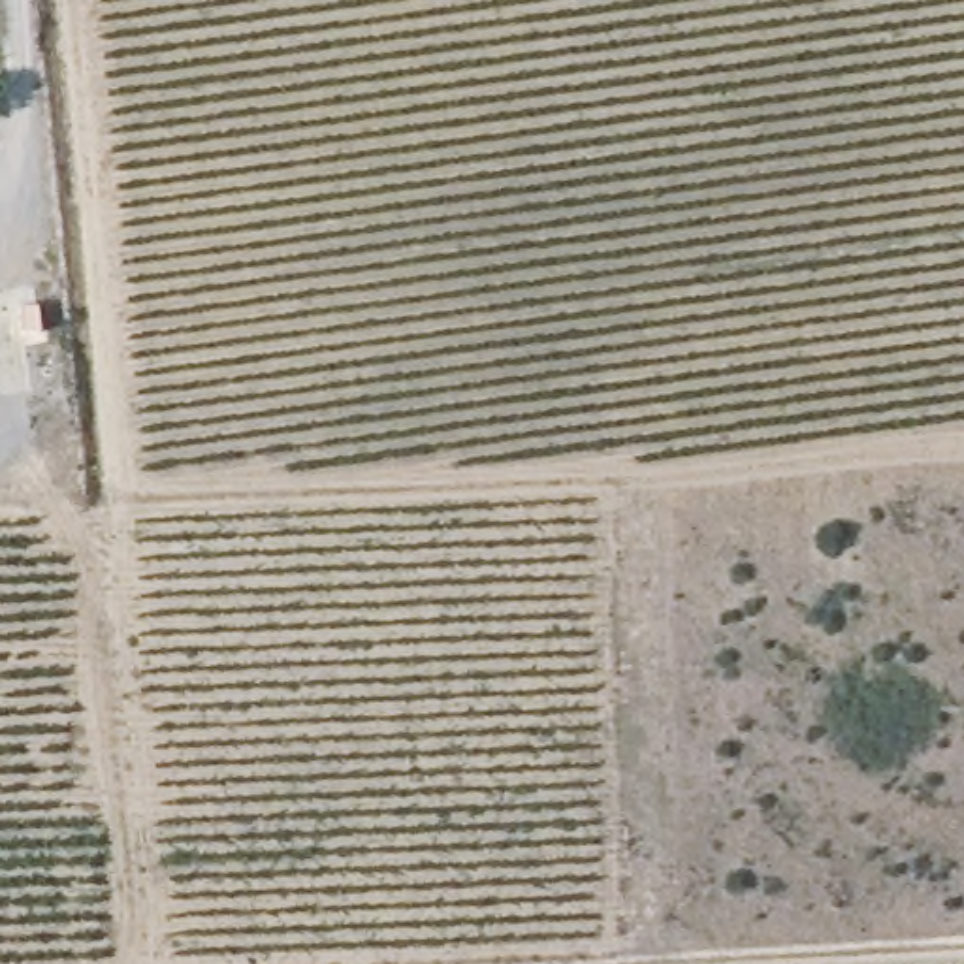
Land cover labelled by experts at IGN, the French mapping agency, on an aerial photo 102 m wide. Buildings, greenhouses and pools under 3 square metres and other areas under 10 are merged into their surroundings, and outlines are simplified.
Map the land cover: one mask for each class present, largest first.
<instances>
[{"label":"vineyard","instance_id":"1","mask_svg":"<svg viewBox=\"0 0 964 964\"><path fill-rule=\"evenodd\" d=\"M90 15L98 19V34L109 49L105 75L113 98V113L105 117L113 147L102 154V169H151V177L143 181H121V260L132 294L128 324L139 388L128 392V407L136 410V426L143 433H162V441L139 448V463L151 474L267 456H275L279 467L290 474L426 459L441 452L456 467H497L614 448H629L636 463H670L697 456L787 448L810 441L964 422V0H98ZM595 497L584 493L139 516L132 531L139 576L188 580V587L173 591H139L143 599H151V610H139V633L128 636V648L136 655H185V663L177 667H136V674H166V685H143V693L158 697V712H241V719H188L158 727V749H177V761H158L162 787H192V795L177 798V806H215V813L207 817H158L143 828H132L128 810L109 813L102 821L98 802H68V791H75L83 768L90 764V749L79 738L83 727L38 723V715L83 712L72 678L75 667H41L38 651H0V964H591L584 956V941L603 938V911H576V904L591 900L587 892L603 881V874H576V866L603 862L599 855H584V847L603 844V836H576V828L603 825V817H587V806H599V783L591 779V772L603 768V761L569 764L561 761V753L599 749L595 742H572V731L599 734V723H569V715L595 712V704H587V693H603V682L595 674L599 667H565V659L572 655H599V648H584L580 640L591 636V629H569V621L576 618H591L584 603L591 595L580 591L576 580H595V572H565V565L587 561V546L595 542V535H584V527L599 523V516H557V505H591ZM49 535H41L38 516H0V640L60 636V621L75 618L79 576L41 572V565H68L72 554L49 550Z\"/></svg>","mask_w":964,"mask_h":964},{"label":"herbaceous vegetation","instance_id":"2","mask_svg":"<svg viewBox=\"0 0 964 964\"><path fill-rule=\"evenodd\" d=\"M38 53L45 64L34 75L38 87L49 90V132L64 226V241L49 245L45 256L34 260V294L41 309V328L49 331L38 346H30V429L38 452L45 456L53 486L64 490L75 505L94 508L102 501L94 377L87 350L83 245L72 185L64 64L56 49V0H34ZM836 520L855 523L859 538L832 557L817 546V531ZM584 535H595V542L587 546V561L565 565V572H595V580H576L580 591L591 595L584 603L591 618H576L569 621V629H591V636L580 640L584 648H599V655H572L565 659V667H599L595 674L603 682V693H587V704H595V712L569 715V723H599V734L572 731V742H595L599 749L561 753V761L569 764L603 761V768L591 772V779L599 783V806H587V817H603V825L576 828V836H603V844L584 847V855H599L603 862L576 866V874H603V881L587 892L591 900L576 904V911H603V938L584 941V956L591 964H964V463L874 467L663 493L640 490L618 512L599 516V523L584 527Z\"/></svg>","mask_w":964,"mask_h":964},{"label":"plowed land","instance_id":"3","mask_svg":"<svg viewBox=\"0 0 964 964\"><path fill-rule=\"evenodd\" d=\"M98 0H56V49L64 64L72 185L83 245L87 350L94 377L102 501L94 508L75 505L64 490L53 486L45 456L38 452L26 459L19 452L0 459V516H38L41 535H49V550L72 554L68 565H41V572L79 576L75 618L60 621V636L0 640V651H38L41 667H75L72 678L83 712L38 715V723L83 727L79 738L90 749V764L83 768L75 791H68V802H98L102 821L109 813L128 810L132 828H143L158 817H207L215 813V806H177V798L192 795V787H162L158 761H177V749H158V727L188 719H241V712H158V697L143 693V685H166V674H136V667H177L185 663V655H136L128 648V636L139 633V610H151V599H143L139 591H173L188 587V580L139 576L132 531L139 516L584 493L595 497L591 505H557V516H599L618 512L640 490L663 493L874 467L964 463V422L810 441L787 448L697 456L670 463H636L629 448H614L497 467H456L441 452L426 459L290 474L279 467L275 456H267L151 474L139 463V448L162 441V433H143L136 426V410L128 407V392L139 388L128 324L132 294L121 260V181H143L151 177V169H102V154L113 147L105 117L113 113V98L105 75L109 49L98 34V19L90 15Z\"/></svg>","mask_w":964,"mask_h":964},{"label":"pervious surface","instance_id":"4","mask_svg":"<svg viewBox=\"0 0 964 964\"><path fill-rule=\"evenodd\" d=\"M45 64L38 53L34 0H0V459L19 452L26 459L38 452L30 429V346H38L49 331L41 328V309L34 294V260L45 256L49 245L64 241V226L49 132V90L38 87L34 75Z\"/></svg>","mask_w":964,"mask_h":964},{"label":"deciduous trees","instance_id":"5","mask_svg":"<svg viewBox=\"0 0 964 964\"><path fill-rule=\"evenodd\" d=\"M859 538L855 523L836 520L817 531V546L832 557Z\"/></svg>","mask_w":964,"mask_h":964}]
</instances>
